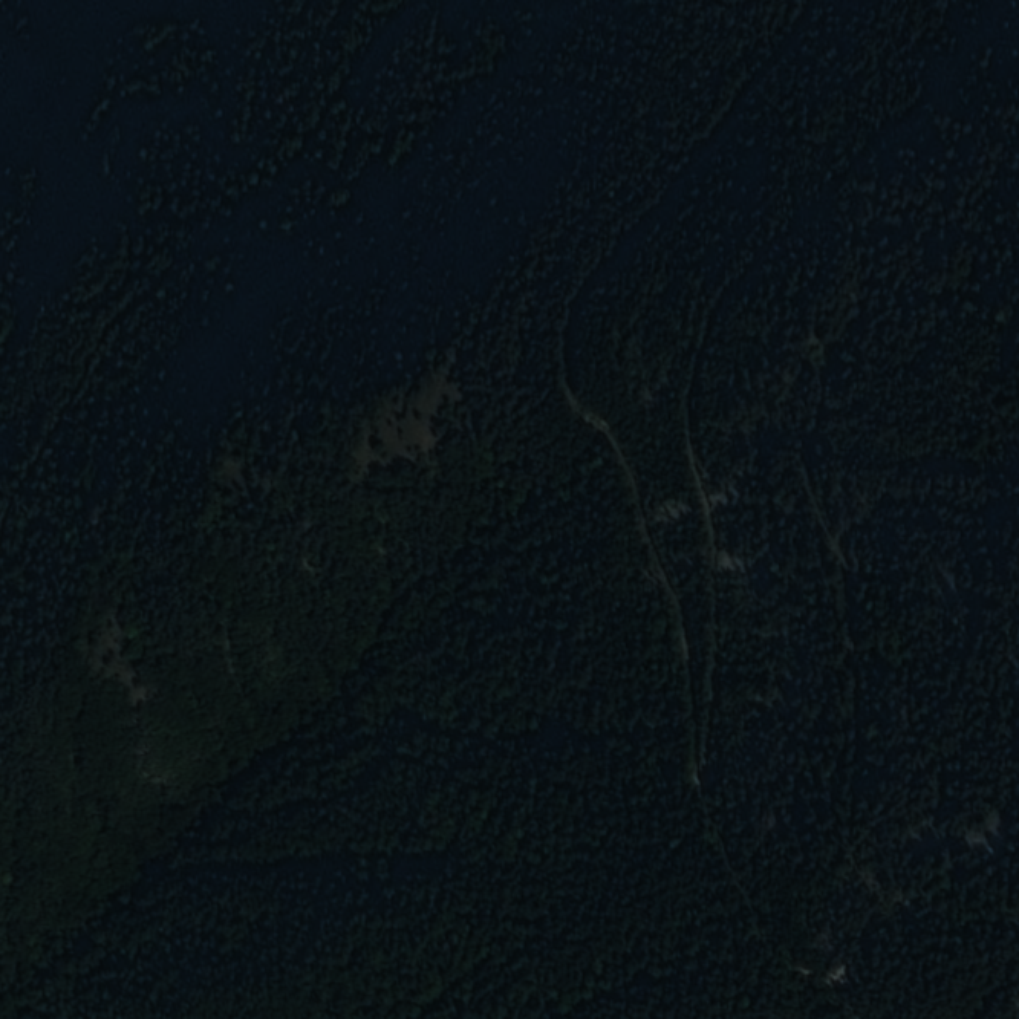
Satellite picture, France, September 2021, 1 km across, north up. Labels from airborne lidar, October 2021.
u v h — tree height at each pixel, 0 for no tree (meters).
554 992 20
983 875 18
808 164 10
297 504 13
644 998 30
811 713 32
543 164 28
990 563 10
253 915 17
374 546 18
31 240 16
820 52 23
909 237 6
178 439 18
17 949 24
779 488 15
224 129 14
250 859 28
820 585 23
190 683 22
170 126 16
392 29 14
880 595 19
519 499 19
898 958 15
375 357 23
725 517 13
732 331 15
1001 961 27
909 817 26
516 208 21
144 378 16
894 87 25
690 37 26
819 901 8
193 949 33
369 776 16
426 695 19
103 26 11
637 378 9
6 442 13
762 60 18
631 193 27
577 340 22
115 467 19
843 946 21
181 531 17
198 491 21
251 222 16
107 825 22
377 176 14
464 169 24
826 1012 12
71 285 22
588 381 22
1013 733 19
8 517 11
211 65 20
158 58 14
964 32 12
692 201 23
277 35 24
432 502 21
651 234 24
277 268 12
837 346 9
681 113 19
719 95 25
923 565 17
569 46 25
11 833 17
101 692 18
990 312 8
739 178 12
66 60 23
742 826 18
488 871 21
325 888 30
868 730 16
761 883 19
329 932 19
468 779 22
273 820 22
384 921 25
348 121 14
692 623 10
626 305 17
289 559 22
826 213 8
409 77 30
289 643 24
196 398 13
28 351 16
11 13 24
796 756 21
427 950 26
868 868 10
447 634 19
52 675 22
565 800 24
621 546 16
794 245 20
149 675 20
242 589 14
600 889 24
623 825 26
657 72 25
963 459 9
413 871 19
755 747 18
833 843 9
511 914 23
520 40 13
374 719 17
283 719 25
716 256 24
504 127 25
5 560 9
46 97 20
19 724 17
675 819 21
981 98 15
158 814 22
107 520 22
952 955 25
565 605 22
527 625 22
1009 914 14
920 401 15
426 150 25
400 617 20
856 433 8
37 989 7
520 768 11
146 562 23
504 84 24
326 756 20
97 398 11
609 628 6
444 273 23
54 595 28
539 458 29
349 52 16
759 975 8
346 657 20
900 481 21
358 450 9
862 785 5
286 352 23
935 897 15
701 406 14
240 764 23
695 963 20
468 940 23
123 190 13
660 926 21
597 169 26
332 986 19
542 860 20
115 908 26
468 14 29
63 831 15
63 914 22
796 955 14
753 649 9
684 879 26
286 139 21
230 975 29
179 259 14
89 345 15
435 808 23
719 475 9
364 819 26
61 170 16
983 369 12
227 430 25
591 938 19
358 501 17
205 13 19
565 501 17
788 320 17
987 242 26
